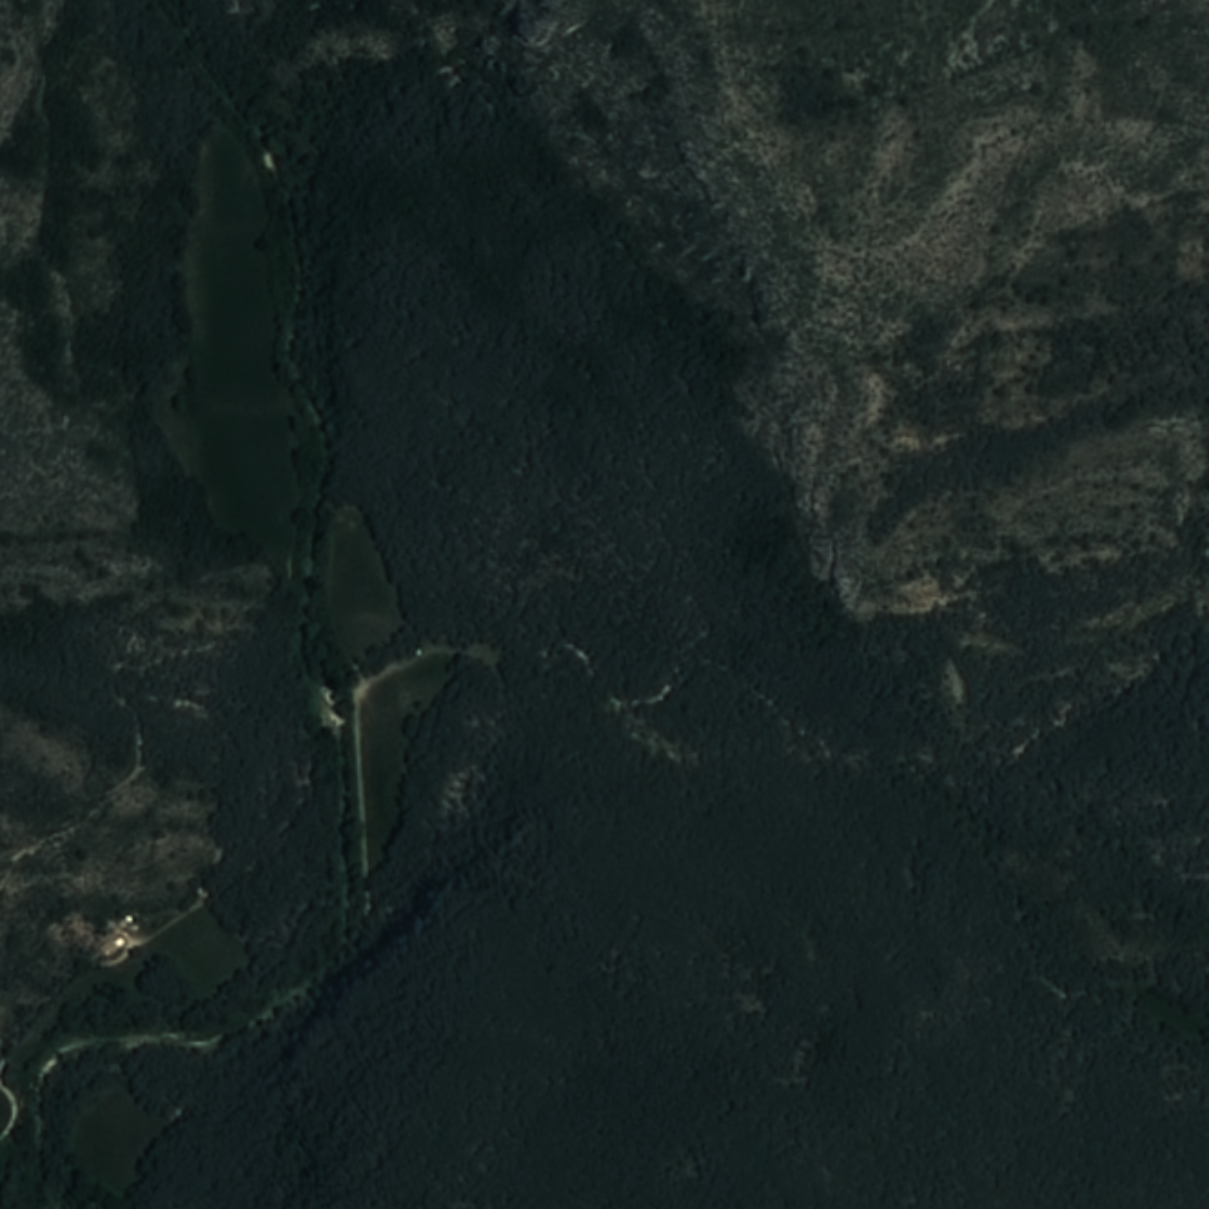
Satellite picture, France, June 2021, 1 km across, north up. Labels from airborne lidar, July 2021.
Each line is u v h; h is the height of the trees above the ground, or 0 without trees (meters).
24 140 5
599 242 10
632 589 7
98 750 7
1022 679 12
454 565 10
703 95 0
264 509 0
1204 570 7
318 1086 9
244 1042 15
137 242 10
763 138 0
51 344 6
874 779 11
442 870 12
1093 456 0
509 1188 12
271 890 10
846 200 0
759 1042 12
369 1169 6
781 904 10
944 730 8
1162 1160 8
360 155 10
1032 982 10
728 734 8
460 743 7
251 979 17
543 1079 10
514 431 12
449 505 12
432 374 15
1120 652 8
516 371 11
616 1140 16
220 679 6
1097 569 7
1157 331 5
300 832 17
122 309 9
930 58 0
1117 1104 9
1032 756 11
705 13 0
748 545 16
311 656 14
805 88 8
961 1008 6
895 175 0
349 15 10
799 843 9
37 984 7
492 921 12
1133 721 13
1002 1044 9
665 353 11
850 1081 13
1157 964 8
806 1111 10
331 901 10
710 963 9
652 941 10
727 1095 14
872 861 8
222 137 0
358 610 0
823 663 16
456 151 18
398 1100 7
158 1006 17
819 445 0
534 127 7
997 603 8
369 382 18
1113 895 10
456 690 9
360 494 13
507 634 14
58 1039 11
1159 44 0
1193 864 6
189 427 0
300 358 10
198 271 0
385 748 0
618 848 12
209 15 12
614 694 11
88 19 11
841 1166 7
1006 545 6
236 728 13
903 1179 8
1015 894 13
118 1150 0
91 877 0
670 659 12
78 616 10
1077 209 0
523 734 7
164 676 9
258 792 12
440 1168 10
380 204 13
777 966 8
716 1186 8
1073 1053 8
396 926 13
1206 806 8
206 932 0
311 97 10
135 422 11
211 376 0
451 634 12
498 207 12
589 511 5
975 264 0
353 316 12
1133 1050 11
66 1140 13
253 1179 14
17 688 10
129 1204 7
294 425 12
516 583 9
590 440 9
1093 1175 8
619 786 9
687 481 9
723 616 14
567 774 10
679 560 8
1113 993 11
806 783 9
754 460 14
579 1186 13
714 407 9
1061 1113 8
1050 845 8
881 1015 12
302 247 11
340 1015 12
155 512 12
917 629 10
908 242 0
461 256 16
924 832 12
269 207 7
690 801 10
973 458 8
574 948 10
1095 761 11
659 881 11
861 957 9
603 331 11
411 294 16
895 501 7
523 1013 10
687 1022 15
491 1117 12
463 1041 8
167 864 0
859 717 15
